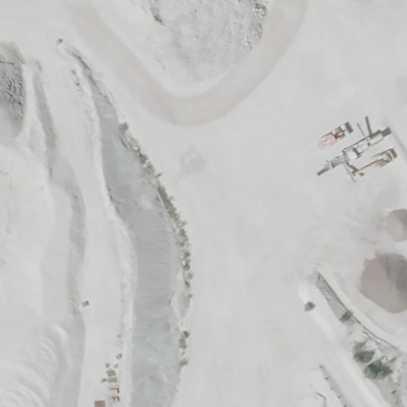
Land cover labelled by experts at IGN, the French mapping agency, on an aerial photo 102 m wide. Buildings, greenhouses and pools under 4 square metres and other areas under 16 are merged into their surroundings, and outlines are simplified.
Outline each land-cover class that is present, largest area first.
<instances>
[{"label":"pervious surface","instance_id":"1","mask_svg":"<svg viewBox=\"0 0 407 407\"><path fill-rule=\"evenodd\" d=\"M121 124H127V132L138 141L141 153L145 154L154 170L161 173L162 188L172 200L176 213L180 215L175 221L165 210L164 202L154 199L157 191L151 186H141V183H145L146 175L141 172L137 157L122 148L119 143ZM358 342H362V343H364V345H366V350H367V351H374V356H372V358H370V359H366V361H364V362H358V361H356V359H355V345H356V343H358ZM375 362H382L386 367H390L391 374L383 378L366 377L364 369ZM0 407H407V0H0Z\"/></svg>","mask_w":407,"mask_h":407},{"label":"brushwood","instance_id":"2","mask_svg":"<svg viewBox=\"0 0 407 407\"><path fill-rule=\"evenodd\" d=\"M119 143L122 148L137 157L141 172L146 175L145 183H141V186H151L157 191L154 199L164 202L165 210L175 221L180 215L176 213L172 200L162 188L161 173L154 170L145 154L141 153L138 141L127 132V124H121Z\"/></svg>","mask_w":407,"mask_h":407},{"label":"deciduous trees","instance_id":"3","mask_svg":"<svg viewBox=\"0 0 407 407\"><path fill-rule=\"evenodd\" d=\"M372 356H374V351H367V350H366V345H364V343H362V342H358V343H356V345H355V359H356V361H358V362H364V361H366V359H370V358H372ZM391 374L390 367H386L382 362H375L364 369L366 377L383 378Z\"/></svg>","mask_w":407,"mask_h":407}]
</instances>
